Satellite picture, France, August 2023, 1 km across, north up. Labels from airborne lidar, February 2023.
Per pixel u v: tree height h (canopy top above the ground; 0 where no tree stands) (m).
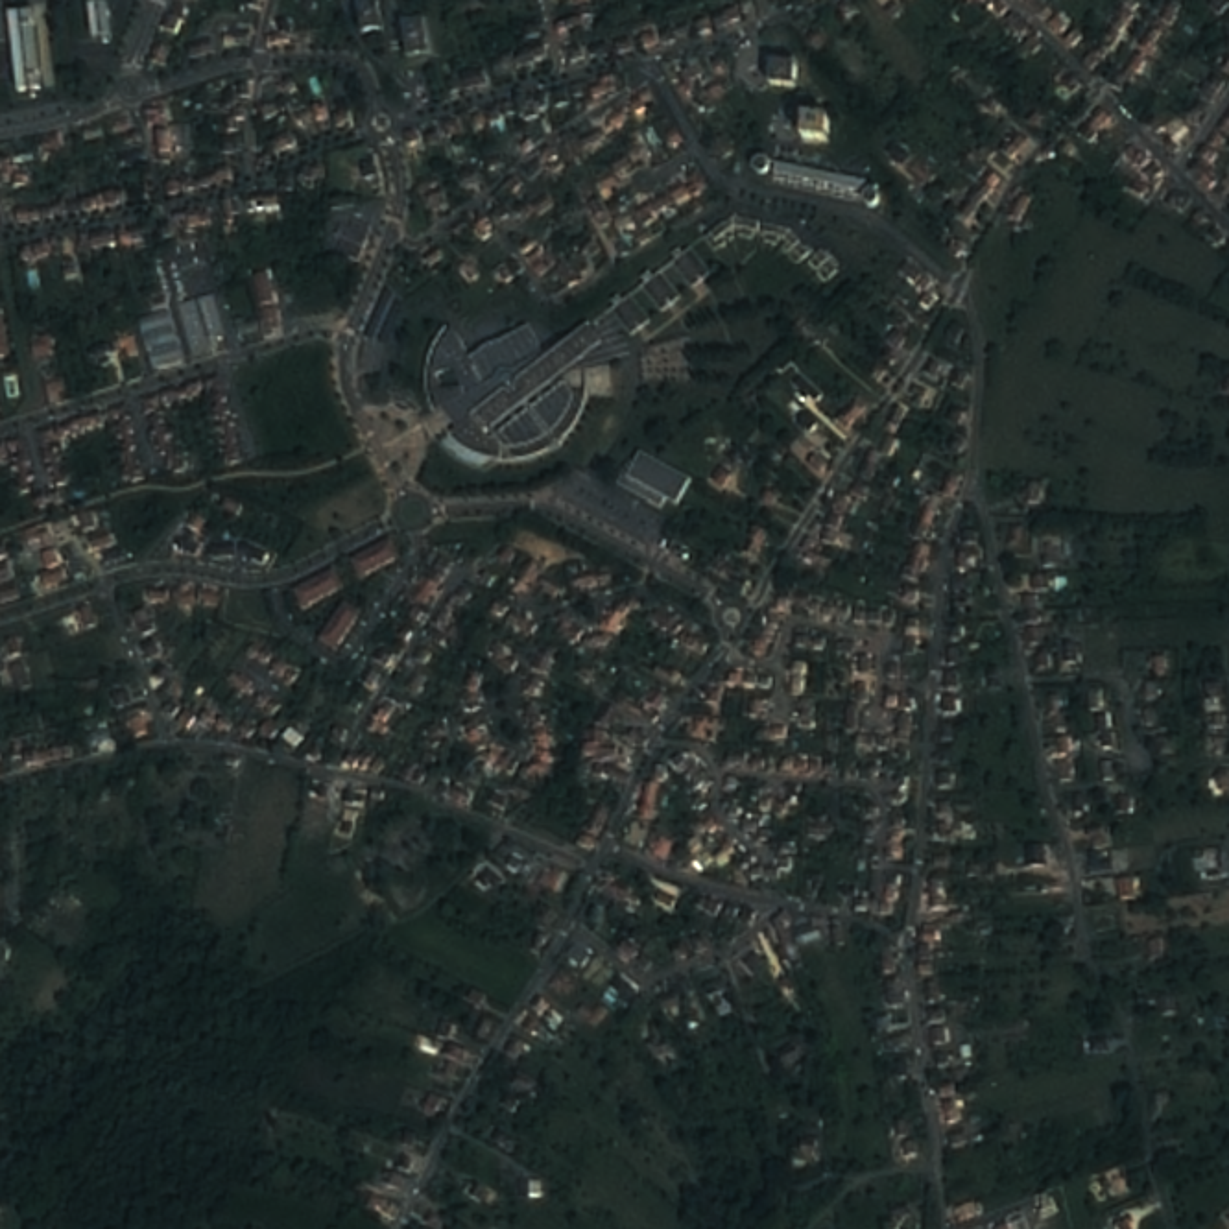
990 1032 0
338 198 11
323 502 0
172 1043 10
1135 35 10
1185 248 0
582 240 6
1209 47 7
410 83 0
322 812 0
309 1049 7
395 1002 0
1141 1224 0
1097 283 0
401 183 0
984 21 0
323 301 0
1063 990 0
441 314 0
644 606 7
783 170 0
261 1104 7
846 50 0
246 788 0
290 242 8
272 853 0
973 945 0
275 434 0
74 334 10
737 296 0
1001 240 0
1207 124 0
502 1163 0
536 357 0
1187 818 0
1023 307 10
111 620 0
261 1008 10
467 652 7
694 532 7
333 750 5
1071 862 0
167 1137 7
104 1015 8
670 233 9
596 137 0
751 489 0
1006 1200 0
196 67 8
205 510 10
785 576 12
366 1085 0
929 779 0
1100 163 0
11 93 0
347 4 0
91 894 0
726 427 0
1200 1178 6
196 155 7
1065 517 14
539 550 0
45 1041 8
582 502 0
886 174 0
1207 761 0
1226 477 0
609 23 13
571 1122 0
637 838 0
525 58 0
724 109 0
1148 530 11
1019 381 0
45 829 7
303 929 0
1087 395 0
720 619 0
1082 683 8
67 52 0
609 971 0
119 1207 6
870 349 9
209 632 16
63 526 0
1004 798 0
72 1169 8
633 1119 13
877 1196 9
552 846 0
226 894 0
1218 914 0
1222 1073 16
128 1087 7
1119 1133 7
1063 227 0
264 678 0
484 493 7
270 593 6
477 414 0
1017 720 11
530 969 0
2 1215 0
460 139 10
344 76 12
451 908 12
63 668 0
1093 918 0
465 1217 15
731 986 10
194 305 0
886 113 8
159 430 0
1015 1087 0
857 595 0
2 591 0
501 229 0
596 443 0
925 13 0
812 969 0
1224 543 0
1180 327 0
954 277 0
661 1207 0
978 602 0
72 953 8
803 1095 11
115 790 10
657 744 0
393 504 0
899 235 0
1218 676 11
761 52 0
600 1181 0
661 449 9
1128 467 0
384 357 0
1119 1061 0
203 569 0
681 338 0
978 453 0
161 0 0
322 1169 11
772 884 0
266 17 0
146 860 0
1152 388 7
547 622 6
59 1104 20
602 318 0
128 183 9
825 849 5
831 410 0
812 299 8
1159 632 0
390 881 18
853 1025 0
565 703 9
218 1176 8
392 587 0
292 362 0
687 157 0
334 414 0
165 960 14
